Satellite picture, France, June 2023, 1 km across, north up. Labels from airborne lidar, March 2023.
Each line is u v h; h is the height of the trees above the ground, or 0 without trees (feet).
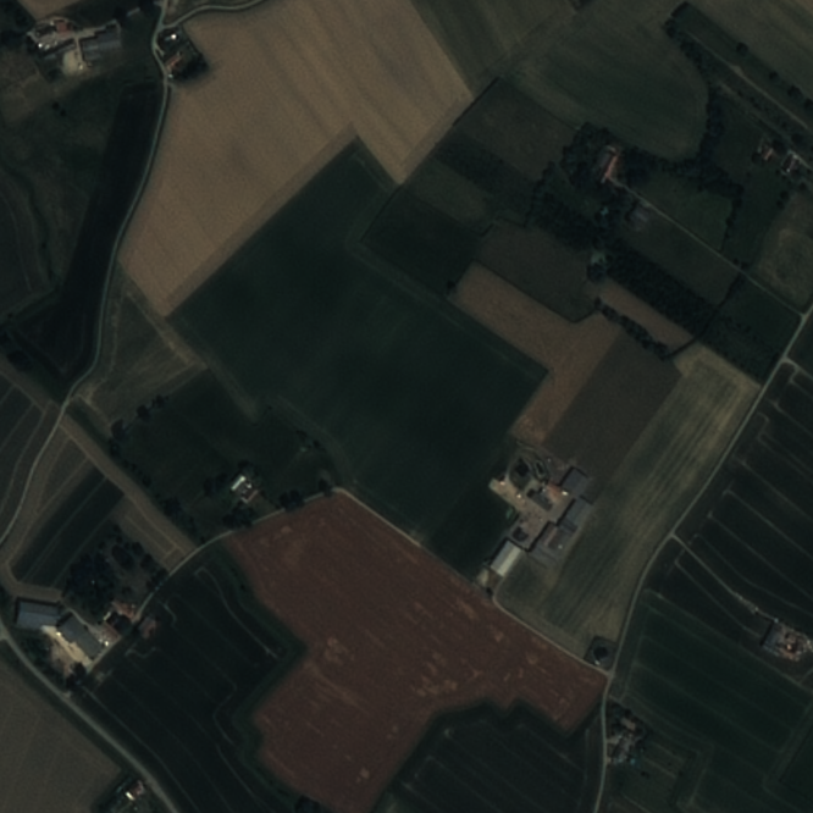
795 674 0
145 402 0
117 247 0
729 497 0
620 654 0
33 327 0
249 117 0
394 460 0
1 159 0
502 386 0
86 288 0
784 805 0
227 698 0
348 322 0
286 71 0
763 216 0
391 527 0
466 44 0
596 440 0
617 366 0
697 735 0
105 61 0
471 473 0
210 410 0
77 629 0
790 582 0
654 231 0
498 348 0
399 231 0
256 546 0
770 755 0
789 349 0
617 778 0
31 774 0
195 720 0
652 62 0
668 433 0
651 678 0
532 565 0
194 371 0
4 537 0
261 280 0
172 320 0
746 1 0
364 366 0
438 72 0
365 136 0
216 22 0
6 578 0
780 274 0
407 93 0
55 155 0
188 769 0
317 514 0
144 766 0
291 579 0
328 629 0
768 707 0
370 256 0
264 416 0
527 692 0
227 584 0
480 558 0
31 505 0
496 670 0
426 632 0
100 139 0
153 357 0
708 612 0
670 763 0
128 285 0
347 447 0
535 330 0
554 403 0
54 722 0
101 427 0
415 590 0
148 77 0
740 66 0
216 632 0
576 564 0
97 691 0
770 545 0
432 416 0
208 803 0
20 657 0
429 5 0
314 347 0
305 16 0
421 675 0
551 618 0
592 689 0
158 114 0
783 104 0
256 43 0
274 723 0
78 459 0
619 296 0
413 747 0
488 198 0
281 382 0
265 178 0
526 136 0
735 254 0
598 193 56
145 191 0
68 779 0
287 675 0
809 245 0
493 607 0
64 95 0
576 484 0
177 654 0
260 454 0
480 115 0
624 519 0
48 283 0
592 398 0
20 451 0
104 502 0
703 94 0
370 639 0
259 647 0
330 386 0
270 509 0
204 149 0
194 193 0
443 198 0
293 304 0
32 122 0
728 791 0
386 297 0
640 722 21
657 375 0
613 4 0
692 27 0
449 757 0
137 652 0
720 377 0
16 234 0
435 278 0
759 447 0
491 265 0
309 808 53
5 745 0
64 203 0
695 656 0
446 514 0
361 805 0
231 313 0
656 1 0
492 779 0
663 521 0
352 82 0
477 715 0
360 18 0
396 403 0
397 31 0
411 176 0
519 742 0
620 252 22
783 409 0
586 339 0
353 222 0
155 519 0
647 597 0
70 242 0
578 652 0
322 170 0
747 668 0
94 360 0
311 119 0
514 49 0
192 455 0
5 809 0
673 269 0
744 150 0
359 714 0
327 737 0
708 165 58
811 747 0
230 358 0
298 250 0
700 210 0
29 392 0
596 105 0
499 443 0
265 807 0
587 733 0
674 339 0
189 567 0
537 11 0
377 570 0
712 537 0
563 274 0
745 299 0
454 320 0
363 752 0
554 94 0
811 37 0
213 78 0
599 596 0
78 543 0
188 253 0
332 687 0
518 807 0
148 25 0
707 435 0
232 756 0
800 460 0
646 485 0
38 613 0
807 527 0
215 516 0
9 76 0
